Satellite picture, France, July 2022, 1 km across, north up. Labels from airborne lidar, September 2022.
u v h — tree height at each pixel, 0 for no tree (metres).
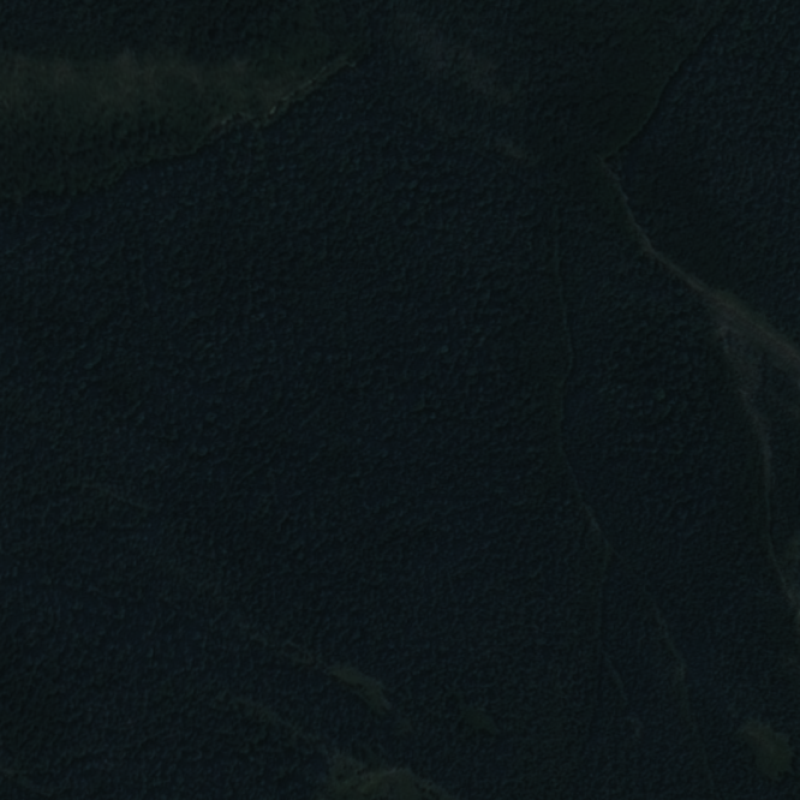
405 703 8
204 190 26
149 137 22
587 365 17
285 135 13
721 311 0
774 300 16
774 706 16
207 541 24
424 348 28
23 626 18
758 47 20
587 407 22
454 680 18
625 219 23
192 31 15
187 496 18
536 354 19
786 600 17
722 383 14
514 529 24
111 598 33
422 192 30
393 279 30
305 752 22
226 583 12
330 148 27
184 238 29
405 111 23
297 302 25
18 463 26
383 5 10
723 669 12
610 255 25
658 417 18
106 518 24
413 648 12
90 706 32
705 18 22
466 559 29
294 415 18
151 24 14
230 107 10
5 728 29
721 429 25
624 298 27
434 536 15
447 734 17
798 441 6
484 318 22
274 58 15
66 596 11
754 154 29
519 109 15
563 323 18
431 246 21
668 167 26
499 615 17
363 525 21
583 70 22
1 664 26
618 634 13
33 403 12
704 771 11
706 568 19
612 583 16
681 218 22
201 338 34
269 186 26
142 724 27
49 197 34
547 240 26
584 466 22
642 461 19
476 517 32
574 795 9
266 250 31
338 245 28
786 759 0
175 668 29
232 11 20
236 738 26
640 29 20
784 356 0
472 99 10
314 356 31
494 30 12
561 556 20
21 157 20
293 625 18
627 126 22
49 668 24
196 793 23
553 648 19
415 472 22
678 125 24
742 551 19
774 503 7
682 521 33
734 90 21
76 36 7
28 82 5
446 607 17
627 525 16
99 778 28
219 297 27
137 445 10
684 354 31
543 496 12
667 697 15
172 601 22
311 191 30
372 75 27
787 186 20
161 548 20
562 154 26
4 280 28
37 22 12
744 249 19
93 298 33
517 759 11
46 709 26
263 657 16
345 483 16
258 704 6
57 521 25
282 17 15
